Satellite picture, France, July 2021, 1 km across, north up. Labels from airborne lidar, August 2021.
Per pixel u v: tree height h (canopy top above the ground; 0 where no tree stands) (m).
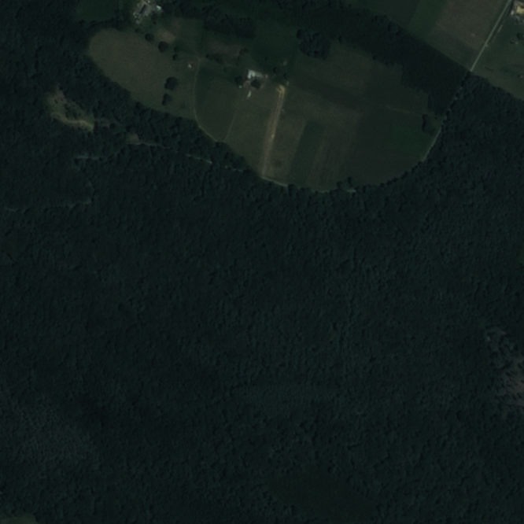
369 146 0
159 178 25
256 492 32
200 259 21
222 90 0
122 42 0
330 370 24
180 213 22
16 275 22
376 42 7
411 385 22
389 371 28
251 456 30
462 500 28
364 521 5
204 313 24
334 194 21
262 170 0
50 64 26
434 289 23
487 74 0
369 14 7
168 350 24
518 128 23
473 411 25
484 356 20
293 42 0
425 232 23
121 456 21
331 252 26
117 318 27
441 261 26
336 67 0
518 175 27
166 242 19
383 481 28
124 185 20
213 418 30
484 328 20
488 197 25
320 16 6
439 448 26
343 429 27
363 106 0
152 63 0
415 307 27
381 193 28
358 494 7
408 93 0
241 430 30
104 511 29
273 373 37
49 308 23
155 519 23
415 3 0
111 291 26
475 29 0
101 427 15
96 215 20
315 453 24
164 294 21
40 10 23
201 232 15
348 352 26
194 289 24
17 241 21
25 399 22
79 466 14
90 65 23
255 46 0
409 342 30
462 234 30
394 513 29
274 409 31
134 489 12
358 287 27
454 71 10
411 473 34
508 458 24
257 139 0
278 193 25
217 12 14
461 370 26
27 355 21
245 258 19
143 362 24
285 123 0
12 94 24
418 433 20
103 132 27
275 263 22
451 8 0
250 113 0
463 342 14
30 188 23
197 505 19
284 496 8
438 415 23
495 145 26
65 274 23
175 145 34
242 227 22
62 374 19
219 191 27
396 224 30
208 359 33
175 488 18
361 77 0
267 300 26
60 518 23
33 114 27
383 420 25
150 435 21
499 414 10
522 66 0
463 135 24
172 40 0
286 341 20
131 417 25
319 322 27
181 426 23
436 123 0
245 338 23
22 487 27
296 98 0
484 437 22
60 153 21
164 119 10
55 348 22
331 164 0
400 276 24
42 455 13
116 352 18
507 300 21
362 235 18
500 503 28
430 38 0
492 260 23
